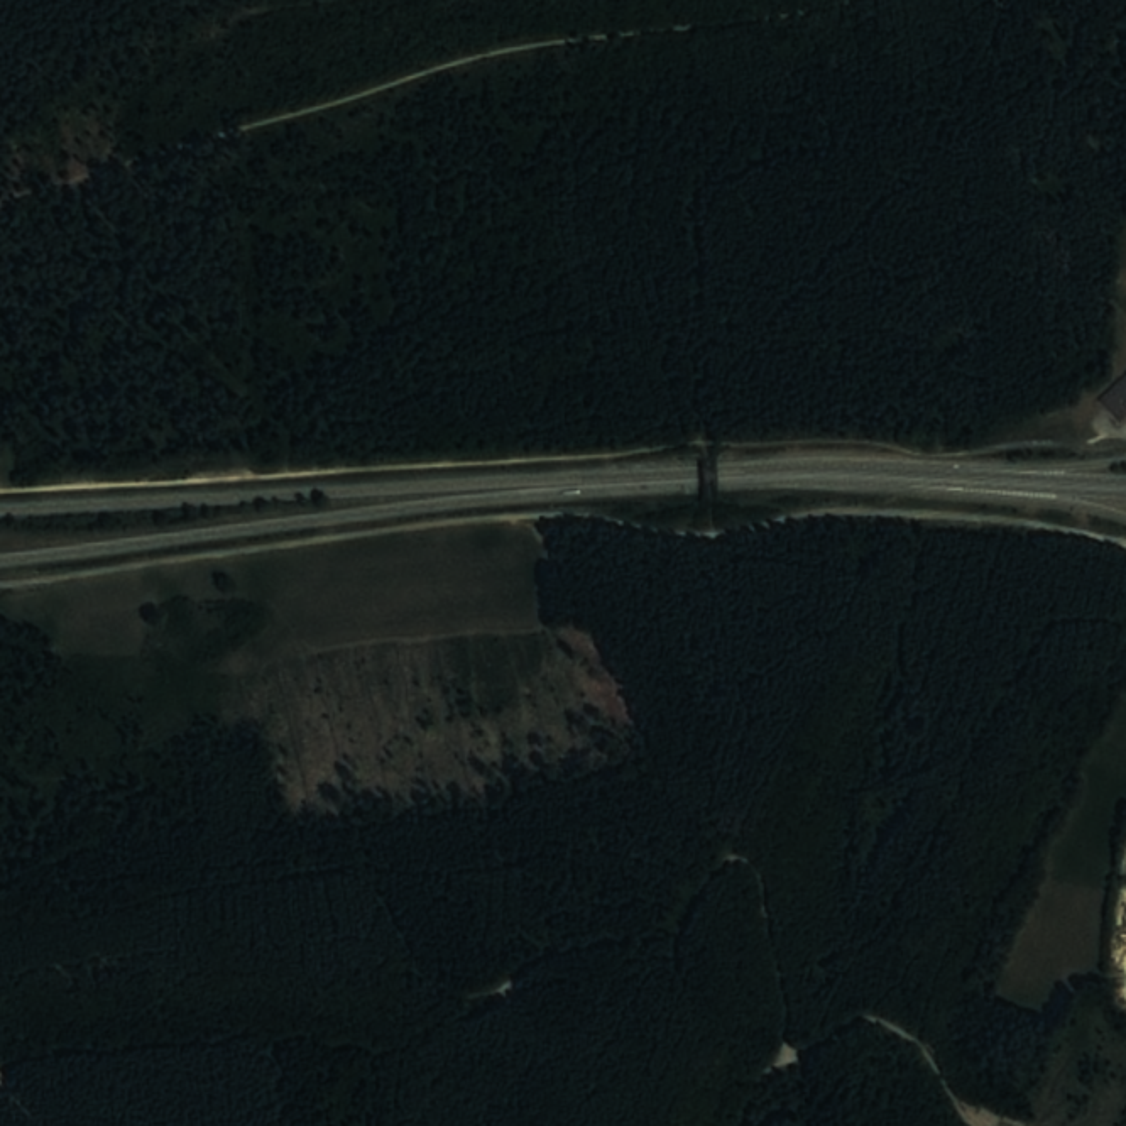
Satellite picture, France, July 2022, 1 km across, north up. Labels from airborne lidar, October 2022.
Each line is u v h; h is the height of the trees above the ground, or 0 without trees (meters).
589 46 18
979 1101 9
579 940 21
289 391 25
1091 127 28
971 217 29
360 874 19
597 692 0
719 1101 19
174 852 22
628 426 17
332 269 16
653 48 11
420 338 10
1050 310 27
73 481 0
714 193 26
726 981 19
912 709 35
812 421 31
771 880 16
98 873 19
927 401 24
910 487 0
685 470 0
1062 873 0
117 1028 25
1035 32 29
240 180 35
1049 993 0
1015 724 14
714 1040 17
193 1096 28
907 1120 18
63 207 9
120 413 38
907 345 33
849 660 23
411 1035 16
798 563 18
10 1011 14
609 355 18
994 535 9
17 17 31
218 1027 23
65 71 25
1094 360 7
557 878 19
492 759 0
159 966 16
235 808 15
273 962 18
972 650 20
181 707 0
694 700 32
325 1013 14
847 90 24
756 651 24
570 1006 26
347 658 0
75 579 0
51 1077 28
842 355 26
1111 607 20
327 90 7
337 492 0
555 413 20
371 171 19
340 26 8
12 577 0
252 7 23
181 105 11
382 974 19
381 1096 10
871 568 23
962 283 28
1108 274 26
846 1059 19
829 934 21
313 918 16
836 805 17
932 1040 13
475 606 0
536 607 0
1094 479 0
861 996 12
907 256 27
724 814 21
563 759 0
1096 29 23
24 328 35
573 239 17
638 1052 20
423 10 8
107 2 25
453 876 15
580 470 0
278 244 21
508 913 14
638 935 18
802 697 21
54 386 11
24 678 18
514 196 13
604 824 24
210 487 0
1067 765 13
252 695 0
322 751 0
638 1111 16
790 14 8
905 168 30
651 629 25
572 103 7
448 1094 18
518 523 0
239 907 18
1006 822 8
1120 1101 0
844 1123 15
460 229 12
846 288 27
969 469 0
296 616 0
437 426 9
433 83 9
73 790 16
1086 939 0
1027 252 26
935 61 19
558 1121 21
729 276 31
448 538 0
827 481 0
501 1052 21
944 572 19
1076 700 15
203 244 31
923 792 27
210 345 14
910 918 14
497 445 8
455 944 23
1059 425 0
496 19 10
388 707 0
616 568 31
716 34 17
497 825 22
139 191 33
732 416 31
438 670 0
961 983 13
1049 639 20
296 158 12
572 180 17
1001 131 25
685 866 20
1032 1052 46
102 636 0
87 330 38
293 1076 25
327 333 23
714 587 26
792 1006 20
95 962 15
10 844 16
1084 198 24
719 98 17
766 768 23
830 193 31
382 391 20
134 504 0
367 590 0
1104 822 0
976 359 28
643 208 24
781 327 28
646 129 21
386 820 25
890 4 18
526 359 15
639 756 23
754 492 0
